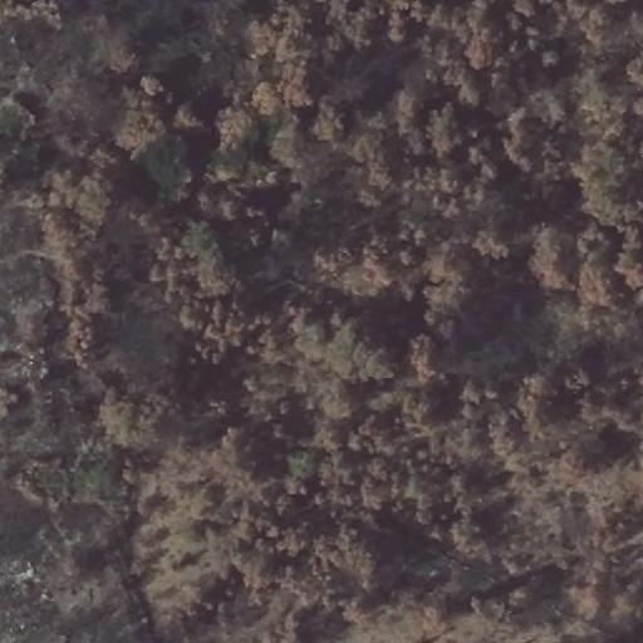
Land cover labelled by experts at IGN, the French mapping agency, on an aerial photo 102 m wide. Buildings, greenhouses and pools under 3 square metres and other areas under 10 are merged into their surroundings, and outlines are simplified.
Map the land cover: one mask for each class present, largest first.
<instances>
[{"label":"coniferous trees","instance_id":"1","mask_svg":"<svg viewBox=\"0 0 643 643\"><path fill-rule=\"evenodd\" d=\"M219 8L208 10L206 18V38H234L236 33L251 38V53L236 70L239 78L224 85V98H231V105L221 111L216 103H196L183 88H178L173 80L163 75L158 80L143 78L141 85L133 90L126 88V116L116 141L118 146L131 151V158L126 163H108L105 173L100 176V183L85 176L83 183L75 188L68 183V171L53 173L50 206H60V216H43L45 241L43 246H38V256L55 261V266L60 269V311L70 322L65 349L60 352L63 362L73 359L78 369L88 367L85 354L90 339L105 327L108 319H113L118 309V296L133 291L128 279H138L143 284L151 276V281L161 291L163 304L168 306L171 319H181V327L176 332H168L166 337L156 334L151 339L153 354L136 369V374L121 389H116V402L131 404L133 417L153 422L158 445H148L146 450L123 447L116 437L105 432L100 440L80 442L70 467L60 470V462H28L15 477V490L28 502L45 510H60L63 527L73 532H90L103 520V512L116 517V502H126L131 512V517L123 525L111 527L105 545L73 548V563L88 580L75 595H55V605L63 613H70V620L60 625V635H65V643H168L156 620V608L148 603L146 595V585L156 578L158 560L163 558V540L168 538V527H161L151 535H143L138 527L148 522L156 512H171L173 502L166 495L146 497L138 485L123 480V472L161 470L168 447L183 452H213L221 445L226 430L231 427L236 430L239 470L249 472L266 495V505L254 502L249 507V535L239 540L241 558L254 563L261 570V575L284 578V568H294V580L309 573L311 553H316L322 563H332V600H349V608L344 610V618L352 623L344 638L347 643H610L620 630L630 628L628 613L643 620V419L630 422L628 414L618 409L580 402V414L575 419L563 422L560 427H540L538 402L543 392V379L525 377L522 372L502 374L492 364L480 362L470 344L475 332L485 334L507 329L512 324H522L527 314L543 311L545 306H555L560 301H568L573 309H578L575 319L583 329L600 337V342H613L615 337H623L638 327L635 309L643 304V0H216ZM221 635L216 625L198 623L191 643H219Z\"/></svg>","mask_w":643,"mask_h":643},{"label":"bare soil","instance_id":"2","mask_svg":"<svg viewBox=\"0 0 643 643\"><path fill-rule=\"evenodd\" d=\"M219 8L216 0H0V643H65V635H60V625L70 620V613H63L55 605V595H75L88 580L73 563V548L105 545L111 527L123 525L131 517V512L126 502H116V517L103 512V520L90 532H73L63 527L60 510H45L28 502L15 490V477L28 462H60V470L70 467L80 442L100 440L105 432L116 437L123 447L146 450L148 445H158L153 422L133 417L131 404L116 402V389H121L136 374V369L153 354L151 339L156 334L166 337L168 332H176L181 327V319H171L168 306L163 304L161 291L151 281V276L143 284L138 279H128L133 291L118 296V309L113 319H108L105 327L90 339L85 354L88 367L78 369L73 359L63 362L60 352L65 349L70 322L60 311V269L55 266V261L38 256V246H43L45 241L43 216H60V206H50L53 173L68 171V183L75 188L83 183L85 176L100 183V176L105 173L108 163H126L131 158V151L118 146L116 141L126 116V88L133 90L141 85L143 78L158 80L163 75L173 80L178 88H183L196 103H216L221 111L231 105V98H224V85L239 78L236 70L251 53V38L236 33L234 38H206V18L208 10ZM578 309H573L568 301H560L555 306H545L543 311L527 314L522 324H512L507 329L485 334L475 332L470 344L480 362L492 364L502 374L522 372L525 377L543 379V392L538 402L540 427H560L563 422L575 419L580 414V402L618 409L628 414L630 422L643 419V304L635 309L638 327L623 337H615L613 342H600V337L583 329L575 319ZM123 480L138 485L146 497L166 495L173 502L171 512H156L148 522L138 527L143 535H151L161 527H168V538L163 540V558L158 560L156 578L146 585V595L148 603L156 608V620L168 643H191L198 623L216 625L221 635L219 643H347L344 638L352 623L344 618V610L349 608V600H332V563H322L316 553H311L309 573L294 580V568H284V578L261 575V570L254 563L241 558L239 540L249 535V507L254 502L266 505V495L249 472L239 470L236 430L231 427L226 430L221 445L213 452H183L168 447L161 470L123 472ZM630 628L620 630L610 643H643V620L628 613Z\"/></svg>","mask_w":643,"mask_h":643}]
</instances>
